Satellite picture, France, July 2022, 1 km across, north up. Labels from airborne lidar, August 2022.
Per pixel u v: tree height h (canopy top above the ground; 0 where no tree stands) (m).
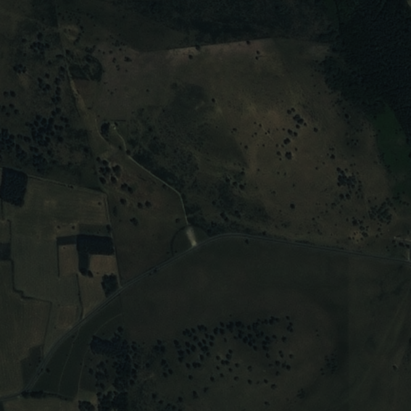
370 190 0
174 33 0
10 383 0
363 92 7
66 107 0
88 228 0
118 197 0
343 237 0
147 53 0
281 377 0
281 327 0
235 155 0
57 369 0
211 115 0
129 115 0
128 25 0
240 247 0
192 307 0
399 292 0
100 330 0
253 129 0
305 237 0
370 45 8
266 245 0
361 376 0
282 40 0
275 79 0
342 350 0
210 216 0
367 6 14
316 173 0
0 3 0
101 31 0
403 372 0
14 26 0
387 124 0
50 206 0
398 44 15
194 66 0
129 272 0
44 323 0
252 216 0
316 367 0
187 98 0
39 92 0
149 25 0
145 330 0
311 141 0
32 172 0
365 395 0
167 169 0
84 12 0
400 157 0
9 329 0
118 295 0
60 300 0
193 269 0
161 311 0
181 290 0
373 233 0
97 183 0
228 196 0
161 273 0
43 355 0
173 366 0
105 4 0
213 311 0
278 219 0
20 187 27
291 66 0
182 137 0
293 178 0
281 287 0
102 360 0
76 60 0
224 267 0
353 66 13
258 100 0
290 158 9
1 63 0
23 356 0
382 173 0
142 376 0
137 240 0
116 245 0
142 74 0
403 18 18
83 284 0
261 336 9
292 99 0
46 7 0
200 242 0
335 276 0
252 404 0
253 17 0
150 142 0
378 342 0
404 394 0
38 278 0
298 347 0
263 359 0
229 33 0
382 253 0
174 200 0
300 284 0
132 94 0
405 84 11
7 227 0
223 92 0
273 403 0
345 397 0
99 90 0
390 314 0
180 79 0
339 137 0
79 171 0
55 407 0
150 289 0
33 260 0
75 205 0
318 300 0
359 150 0
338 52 7
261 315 0
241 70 0
